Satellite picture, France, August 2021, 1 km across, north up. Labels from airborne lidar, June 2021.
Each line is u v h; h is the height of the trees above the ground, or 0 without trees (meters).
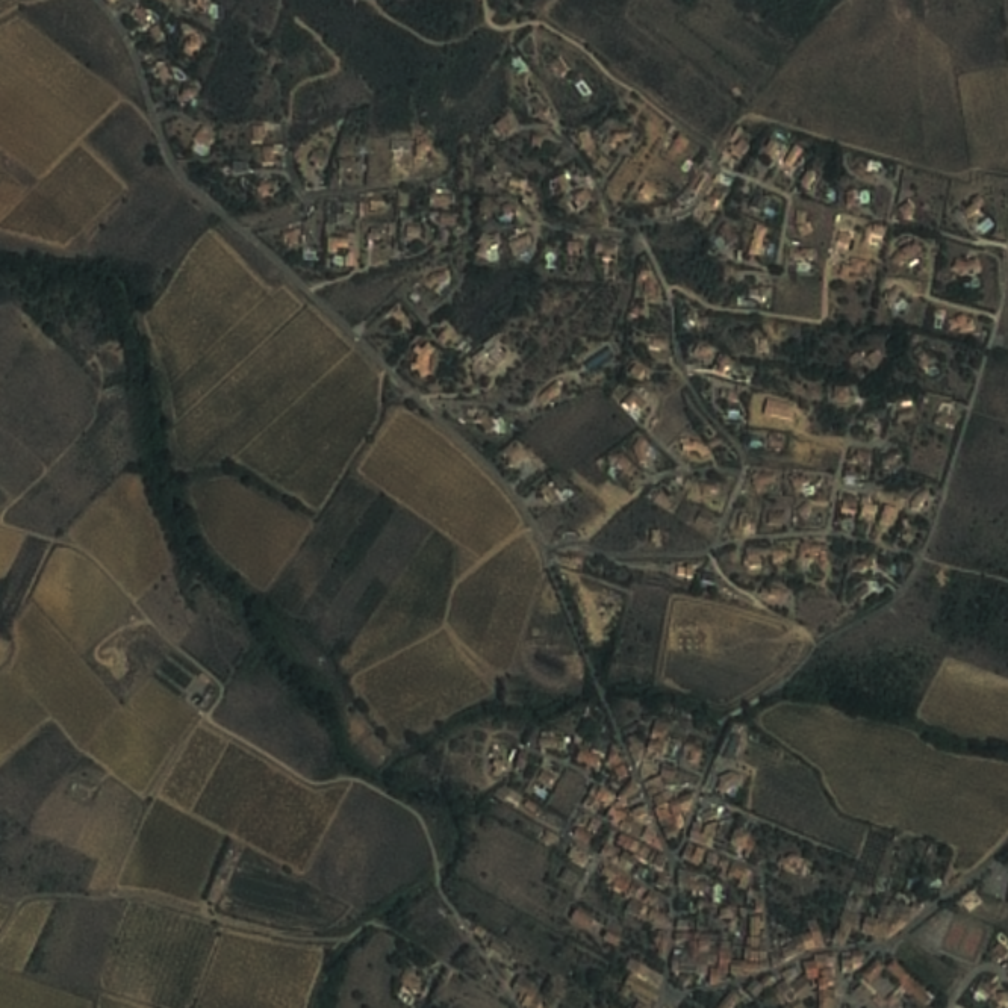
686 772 0
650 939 7
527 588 0
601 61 6
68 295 8
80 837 0
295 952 0
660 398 0
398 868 0
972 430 0
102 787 0
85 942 0
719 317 7
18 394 0
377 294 0
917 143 0
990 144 0
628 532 0
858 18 0
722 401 7
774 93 0
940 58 0
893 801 0
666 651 0
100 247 0
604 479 0
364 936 6
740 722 8
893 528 7
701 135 0
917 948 0
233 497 0
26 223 0
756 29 0
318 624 0
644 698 12
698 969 0
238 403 0
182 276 0
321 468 0
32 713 0
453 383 6
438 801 25
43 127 0
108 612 0
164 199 0
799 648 0
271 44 8
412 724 0
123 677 0
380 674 0
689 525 0
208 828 0
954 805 0
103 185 0
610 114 9
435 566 0
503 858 0
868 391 6
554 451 0
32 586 0
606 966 7
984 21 0
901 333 9
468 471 0
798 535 0
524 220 0
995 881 0
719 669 0
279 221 0
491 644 0
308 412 0
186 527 8
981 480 0
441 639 0
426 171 0
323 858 0
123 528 0
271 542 0
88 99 0
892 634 0
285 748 0
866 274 0
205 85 6
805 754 0
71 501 0
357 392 0
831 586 8
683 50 0
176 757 0
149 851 0
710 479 10
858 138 0
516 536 0
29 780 0
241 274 0
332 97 0
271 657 18
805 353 11
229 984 0
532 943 0
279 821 0
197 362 0
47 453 0
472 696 0
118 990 0
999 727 0
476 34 8
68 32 0
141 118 0
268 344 0
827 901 6
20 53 0
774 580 9
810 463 0
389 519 0
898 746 0
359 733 0
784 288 0
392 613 0
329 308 0
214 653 0
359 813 0
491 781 0
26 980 0
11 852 0
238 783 0
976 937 0
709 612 0
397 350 8
